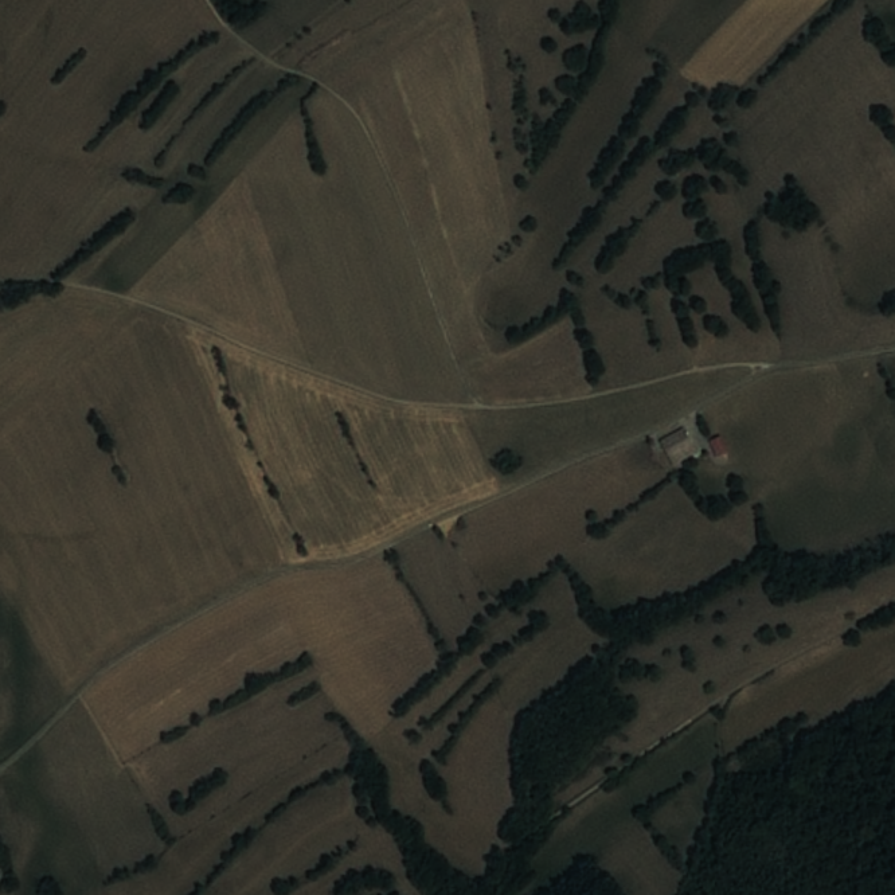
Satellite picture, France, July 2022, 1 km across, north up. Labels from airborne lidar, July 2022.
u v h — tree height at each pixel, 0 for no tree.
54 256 0
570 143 0
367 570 0
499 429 0
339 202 0
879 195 0
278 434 0
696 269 13
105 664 0
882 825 11
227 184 0
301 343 0
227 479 0
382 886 11
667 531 0
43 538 0
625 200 0
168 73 9
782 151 0
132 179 17
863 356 0
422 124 0
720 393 0
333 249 0
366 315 0
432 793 11
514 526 0
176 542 0
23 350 0
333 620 0
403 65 0
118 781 0
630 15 0
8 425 0
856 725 21
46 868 0
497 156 6
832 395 0
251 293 0
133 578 0
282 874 0
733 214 0
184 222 0
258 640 0
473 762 0
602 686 16
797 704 0
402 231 0
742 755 12
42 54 0
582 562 0
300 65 0
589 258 0
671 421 0
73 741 0
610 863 0
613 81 0
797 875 10
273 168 0
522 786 19
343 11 0
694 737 0
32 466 0
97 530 0
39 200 0
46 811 0
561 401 0
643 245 0
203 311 0
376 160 0
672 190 14
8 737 0
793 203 19
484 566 0
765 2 0
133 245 0
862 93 0
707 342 0
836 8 11
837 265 0
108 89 0
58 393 0
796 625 0
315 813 0
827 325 0
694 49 0
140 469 0
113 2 0
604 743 9
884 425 0
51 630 0
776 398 0
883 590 0
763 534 13
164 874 0
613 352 0
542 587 8
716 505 22
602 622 19
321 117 0
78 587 0
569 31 19
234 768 0
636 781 0
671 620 12
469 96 0
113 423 0
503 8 0
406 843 12
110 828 0
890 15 0
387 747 0
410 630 0
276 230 0
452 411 0
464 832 0
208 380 0
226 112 0
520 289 0
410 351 0
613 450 0
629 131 17
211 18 0
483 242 0
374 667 0
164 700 0
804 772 17
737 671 0
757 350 0
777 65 7
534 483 0
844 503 0
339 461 0
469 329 0
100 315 0
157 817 6
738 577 13
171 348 0
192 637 0
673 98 0
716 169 16
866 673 0
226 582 0
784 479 0
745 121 0
